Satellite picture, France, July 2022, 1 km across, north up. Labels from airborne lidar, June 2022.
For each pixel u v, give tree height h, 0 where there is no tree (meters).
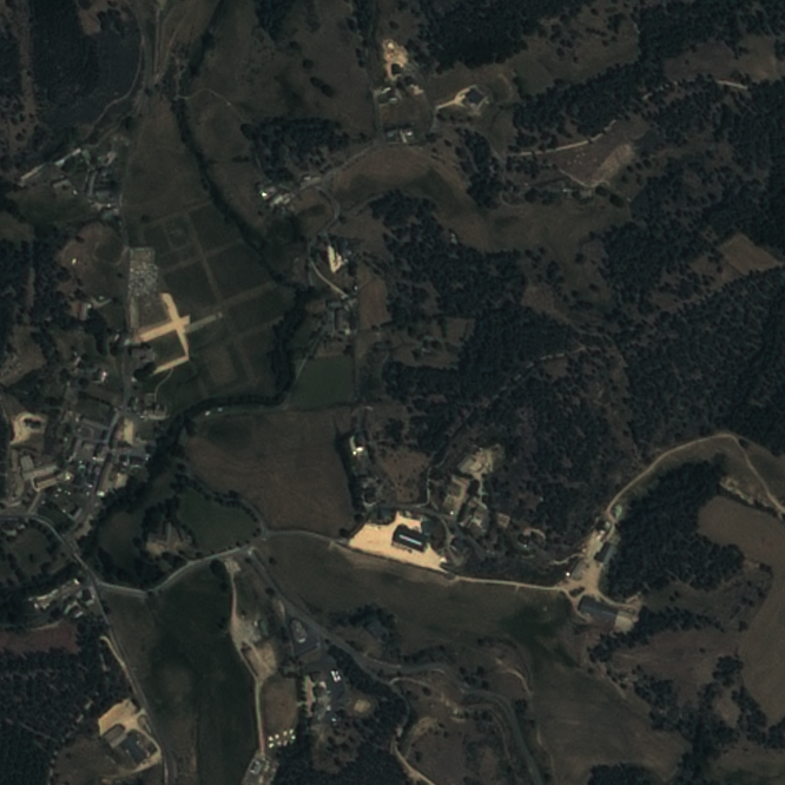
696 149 0
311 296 12
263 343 0
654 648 0
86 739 0
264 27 17
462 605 0
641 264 18
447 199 0
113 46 0
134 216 0
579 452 12
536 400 15
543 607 0
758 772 0
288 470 0
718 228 18
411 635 0
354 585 0
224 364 0
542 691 0
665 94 12
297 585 0
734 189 15
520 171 10
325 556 0
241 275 0
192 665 0
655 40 18
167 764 0
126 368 0
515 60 0
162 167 0
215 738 0
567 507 14
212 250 0
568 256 0
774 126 15
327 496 0
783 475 0
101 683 14
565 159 0
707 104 11
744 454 0
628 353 13
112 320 0
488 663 0
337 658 9
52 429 0
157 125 0
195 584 0
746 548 0
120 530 0
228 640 0
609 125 9
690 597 0
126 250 0
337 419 0
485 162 16
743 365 19
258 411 0
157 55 0
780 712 0
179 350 0
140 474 0
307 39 0
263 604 0
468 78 0
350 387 0
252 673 0
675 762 0
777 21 18
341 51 0
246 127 13
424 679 0
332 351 0
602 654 9
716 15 19
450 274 20
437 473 5
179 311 0
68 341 0
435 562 0
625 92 17
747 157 8
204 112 0
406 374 18
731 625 0
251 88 0
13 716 21
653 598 0
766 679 0
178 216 0
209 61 0
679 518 10
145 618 0
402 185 0
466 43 13
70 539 0
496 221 0
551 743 0
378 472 0
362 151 0
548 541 8
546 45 0
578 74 0
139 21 0
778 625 0
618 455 8
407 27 0
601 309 0
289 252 0
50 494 9
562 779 0
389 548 0
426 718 0
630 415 0
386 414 0
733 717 0
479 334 14
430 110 0
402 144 0
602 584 0
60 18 8
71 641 0
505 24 17
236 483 0
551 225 0
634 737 0
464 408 9
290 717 0
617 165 0
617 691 0
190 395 0
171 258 0
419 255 13
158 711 0
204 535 0
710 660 0
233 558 0
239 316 0
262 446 0
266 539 0
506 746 0
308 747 8
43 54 10
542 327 17
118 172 0
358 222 0
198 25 0
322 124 7
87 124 0
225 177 0
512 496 11
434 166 0
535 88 0
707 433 13
